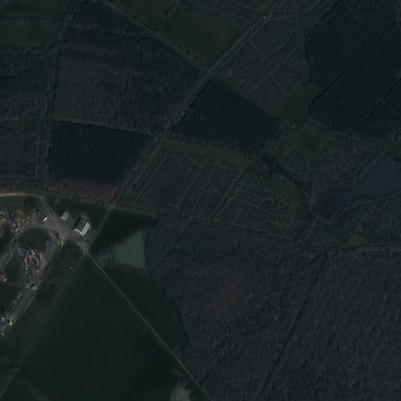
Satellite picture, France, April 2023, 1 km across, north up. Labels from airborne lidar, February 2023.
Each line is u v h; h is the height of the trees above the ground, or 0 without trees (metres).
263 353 13
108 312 0
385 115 14
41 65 14
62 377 0
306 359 21
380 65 15
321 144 0
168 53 13
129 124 14
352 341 20
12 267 0
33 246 0
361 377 24
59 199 0
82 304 0
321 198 0
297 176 13
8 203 0
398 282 20
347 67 11
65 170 14
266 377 13
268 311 13
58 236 0
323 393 14
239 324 17
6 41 0
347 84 14
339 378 23
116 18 12
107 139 13
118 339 0
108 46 14
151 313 0
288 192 0
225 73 10
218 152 0
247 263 20
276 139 13
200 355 25
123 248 0
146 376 0
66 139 14
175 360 0
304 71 0
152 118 13
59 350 0
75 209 0
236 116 14
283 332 15
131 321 0
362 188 0
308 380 20
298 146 0
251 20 0
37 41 0
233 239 15
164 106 15
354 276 21
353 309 21
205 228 12
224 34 0
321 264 13
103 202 12
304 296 10
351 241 0
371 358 21
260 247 11
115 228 0
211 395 12
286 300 12
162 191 6
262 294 17
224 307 23
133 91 11
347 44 12
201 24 0
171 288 24
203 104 13
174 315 0
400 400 19
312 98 0
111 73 12
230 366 11
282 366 20
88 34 13
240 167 0
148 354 0
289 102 0
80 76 15
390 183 0
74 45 14
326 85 11
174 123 9
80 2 12
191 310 22
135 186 9
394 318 21
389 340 20
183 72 12
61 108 14
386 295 22
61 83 14
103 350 0
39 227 0
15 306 0
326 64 12
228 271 24
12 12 0
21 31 0
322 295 18
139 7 0
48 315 0
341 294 21
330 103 13
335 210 0
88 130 14
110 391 0
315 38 13
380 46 13
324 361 21
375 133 11
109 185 11
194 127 13
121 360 0
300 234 13
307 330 18
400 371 18
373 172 0
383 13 12
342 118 14
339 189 0
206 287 24
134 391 0
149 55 14
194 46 0
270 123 13
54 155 14
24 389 0
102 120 13
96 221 0
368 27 11
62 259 0
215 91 13
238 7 7
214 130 13
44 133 12
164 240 24
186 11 0
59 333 0
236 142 9
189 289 21
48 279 0
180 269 25
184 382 15
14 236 0
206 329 26
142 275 0
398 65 13
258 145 11
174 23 0
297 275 10
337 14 12
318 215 0
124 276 0
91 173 12
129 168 12
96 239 0
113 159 14
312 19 6
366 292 19
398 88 11
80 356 0
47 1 0
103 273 0
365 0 12
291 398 11
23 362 0
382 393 20
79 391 0
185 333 22
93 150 12
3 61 11
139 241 0
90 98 13
